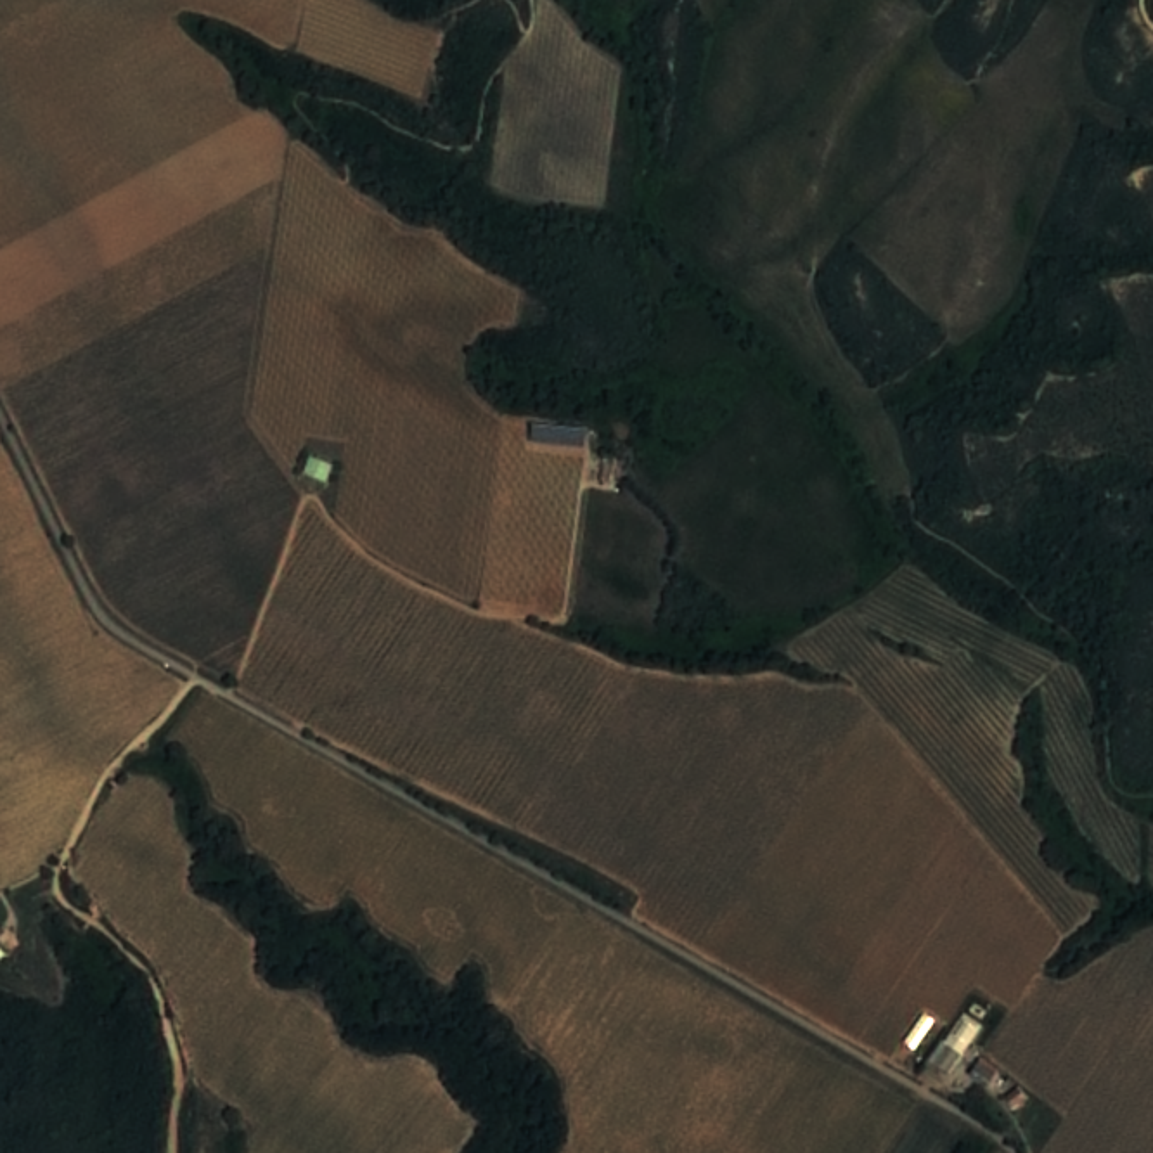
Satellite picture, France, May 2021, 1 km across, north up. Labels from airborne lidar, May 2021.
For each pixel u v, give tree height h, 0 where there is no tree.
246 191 0
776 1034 0
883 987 0
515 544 0
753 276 0
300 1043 0
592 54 0
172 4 0
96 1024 7
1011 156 0
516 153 0
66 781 0
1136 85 0
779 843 0
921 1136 0
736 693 0
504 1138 11
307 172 0
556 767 0
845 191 0
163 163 0
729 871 0
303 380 0
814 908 0
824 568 0
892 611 0
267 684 0
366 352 0
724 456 0
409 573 0
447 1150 0
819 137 0
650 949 0
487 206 8
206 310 0
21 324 0
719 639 0
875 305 0
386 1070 0
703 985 0
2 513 0
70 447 0
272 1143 0
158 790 0
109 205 0
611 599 0
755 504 0
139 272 0
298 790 0
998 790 0
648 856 0
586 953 0
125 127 0
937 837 0
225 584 0
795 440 0
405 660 0
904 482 0
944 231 0
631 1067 0
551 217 12
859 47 0
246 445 0
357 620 0
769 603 0
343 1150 0
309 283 0
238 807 0
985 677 0
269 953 15
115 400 0
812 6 0
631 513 0
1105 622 12
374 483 0
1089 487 8
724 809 0
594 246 8
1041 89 0
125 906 0
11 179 0
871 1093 0
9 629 0
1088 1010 0
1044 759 10
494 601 0
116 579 0
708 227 0
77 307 0
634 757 0
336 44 0
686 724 0
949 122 0
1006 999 0
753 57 0
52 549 0
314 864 0
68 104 0
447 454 0
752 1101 0
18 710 0
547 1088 13
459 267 0
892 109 0
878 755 0
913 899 0
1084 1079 0
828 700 0
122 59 0
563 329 6
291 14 0
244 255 0
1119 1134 0
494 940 0
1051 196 0
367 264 0
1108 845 0
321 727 0
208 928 0
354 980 6
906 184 0
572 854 0
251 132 0
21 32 0
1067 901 0
